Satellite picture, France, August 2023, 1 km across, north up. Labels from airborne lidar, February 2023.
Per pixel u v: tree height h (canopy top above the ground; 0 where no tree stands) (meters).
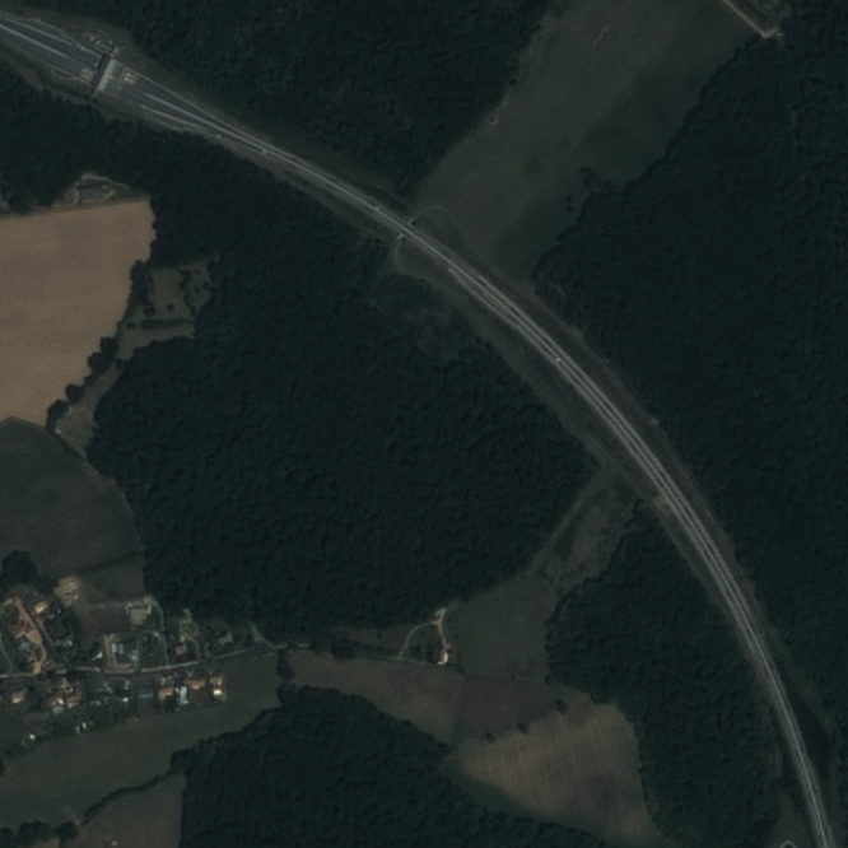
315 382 30
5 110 23
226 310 9
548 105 0
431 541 24
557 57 0
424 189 0
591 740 0
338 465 24
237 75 16
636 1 0
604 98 0
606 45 0
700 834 20
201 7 21
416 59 19
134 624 0
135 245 0
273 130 0
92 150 21
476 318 0
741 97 23
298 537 22
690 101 0
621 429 0
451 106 25
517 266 0
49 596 8
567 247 17
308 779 27
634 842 0
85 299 0
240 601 25
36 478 0
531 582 0
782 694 0
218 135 0
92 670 0
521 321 0
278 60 11
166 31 20
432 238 0
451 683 0
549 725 0
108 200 0
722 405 25
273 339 24
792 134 19
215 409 23
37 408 0
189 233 24
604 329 20
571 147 0
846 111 23
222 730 0
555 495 20
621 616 22
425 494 26
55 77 0
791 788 8
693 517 0
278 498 24
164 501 21
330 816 27
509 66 24
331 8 23
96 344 0
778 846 0
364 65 23
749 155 23
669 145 0
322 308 26
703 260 24
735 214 25
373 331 24
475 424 26
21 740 0
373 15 24
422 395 24
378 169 9
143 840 0
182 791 0
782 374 19
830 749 12
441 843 25
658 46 0
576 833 14
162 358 21
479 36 16
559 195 0
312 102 22
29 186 23
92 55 0
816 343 22
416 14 21
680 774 24
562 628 19
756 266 23
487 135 0
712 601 22
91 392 0
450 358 0
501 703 0
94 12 18
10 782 0
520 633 0
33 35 0
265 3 14
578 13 0
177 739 0
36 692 14
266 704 0
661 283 23
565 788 0
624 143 0
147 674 0
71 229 0
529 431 23
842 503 24
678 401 25
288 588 21
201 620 20
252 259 22
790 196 27
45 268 0
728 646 23
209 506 20
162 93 0
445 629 0
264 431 22
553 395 0
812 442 24
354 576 24
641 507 12
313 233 26
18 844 9
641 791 0
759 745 23
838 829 0
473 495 22
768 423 24
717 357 23
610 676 20
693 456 25
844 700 21
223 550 25
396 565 24
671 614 25
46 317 0
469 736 0
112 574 0
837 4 26
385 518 19
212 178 25
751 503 26
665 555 22
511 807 0
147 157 21
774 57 24
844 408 22
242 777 21
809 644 16
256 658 0
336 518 9
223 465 24
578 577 0
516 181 0
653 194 22
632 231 23
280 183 24
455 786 16
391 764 22
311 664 0
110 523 0
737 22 0
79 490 0
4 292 0
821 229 25
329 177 0
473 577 25
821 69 28
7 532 0
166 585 21
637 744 0
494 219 0
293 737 23
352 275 23
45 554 0
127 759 0
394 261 0
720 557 0
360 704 18
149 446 24
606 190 13
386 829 23
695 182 24
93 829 0
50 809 0
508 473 25
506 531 27
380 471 22
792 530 26
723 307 26
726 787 22
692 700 22
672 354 23
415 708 0
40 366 0
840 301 26
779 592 24
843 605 15
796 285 22
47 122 26
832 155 27
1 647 0
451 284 0
